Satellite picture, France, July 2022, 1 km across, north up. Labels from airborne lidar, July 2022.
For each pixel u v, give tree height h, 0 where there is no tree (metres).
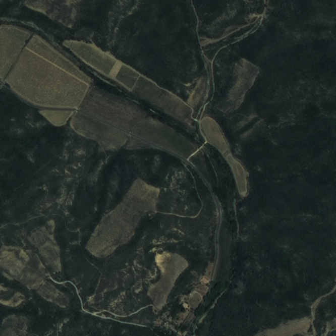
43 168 0
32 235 0
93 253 0
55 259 0
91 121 0
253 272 6
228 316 6
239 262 7
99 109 0
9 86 10
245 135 0
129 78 0
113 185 0
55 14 0
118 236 0
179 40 6
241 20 0
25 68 0
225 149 0
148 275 0
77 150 0
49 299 0
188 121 0
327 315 0
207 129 0
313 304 0
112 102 0
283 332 0
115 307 0
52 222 0
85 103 0
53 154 0
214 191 8
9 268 0
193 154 0
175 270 0
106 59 0
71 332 0
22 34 0
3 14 7
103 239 0
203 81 0
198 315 19
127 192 0
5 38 0
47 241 0
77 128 0
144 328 8
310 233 5
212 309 7
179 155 0
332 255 0
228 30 0
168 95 0
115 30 0
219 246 0
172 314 12
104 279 0
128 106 0
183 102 0
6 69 0
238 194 0
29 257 0
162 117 15
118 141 0
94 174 0
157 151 7
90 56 0
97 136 0
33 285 0
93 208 0
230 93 0
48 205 0
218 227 0
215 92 6
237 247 6
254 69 0
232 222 14
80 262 0
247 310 7
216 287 17
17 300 0
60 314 8
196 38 5
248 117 0
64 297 0
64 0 0
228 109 0
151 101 0
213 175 6
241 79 0
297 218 6
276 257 5
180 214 0
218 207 0
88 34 0
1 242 0
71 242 0
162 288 0
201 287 0
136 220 0
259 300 7
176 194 0
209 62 0
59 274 7
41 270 0
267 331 0
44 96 0
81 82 0
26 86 0
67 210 0
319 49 5
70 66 0
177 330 15
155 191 0
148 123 0
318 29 6
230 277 10
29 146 6
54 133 7
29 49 0
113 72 0
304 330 0
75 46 0
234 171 0
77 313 7
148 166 6
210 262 0
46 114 0
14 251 0
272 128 6
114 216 0
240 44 7
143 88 0
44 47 0
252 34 6
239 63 0
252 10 9
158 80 7
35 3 0
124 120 0
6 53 0
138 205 0
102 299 0
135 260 0
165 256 0
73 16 0
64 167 0
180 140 0
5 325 0
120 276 0
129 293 0
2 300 0
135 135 0
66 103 0
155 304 0
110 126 0
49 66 0
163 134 0
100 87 9
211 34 7
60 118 0
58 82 0
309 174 6
